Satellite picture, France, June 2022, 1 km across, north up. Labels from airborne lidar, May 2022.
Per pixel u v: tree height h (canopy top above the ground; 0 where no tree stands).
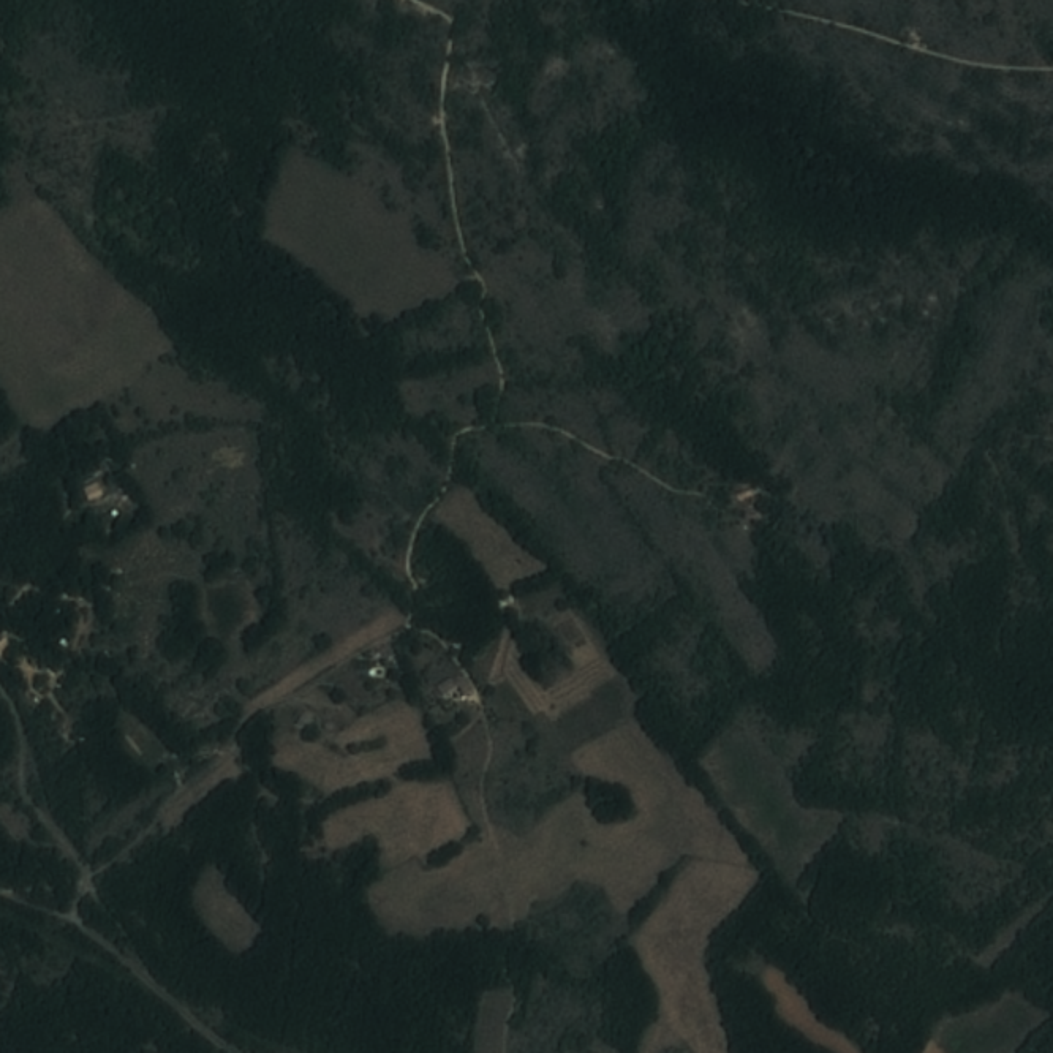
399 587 8
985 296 6
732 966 7
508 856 0
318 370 9
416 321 10
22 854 8
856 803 11
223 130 7
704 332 0
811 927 7
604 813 13
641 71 10
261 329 12
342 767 0
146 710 16
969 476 6
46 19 5
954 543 7
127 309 0
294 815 11
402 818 0
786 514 13
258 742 11
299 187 0
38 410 0
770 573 9
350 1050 9
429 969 6
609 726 0
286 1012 8
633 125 8
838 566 14
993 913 11
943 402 10
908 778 6
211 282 12
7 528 9
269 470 7
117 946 9
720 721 11
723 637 10
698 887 0
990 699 11
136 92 7
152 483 0
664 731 12
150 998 9
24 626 12
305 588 7
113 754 17
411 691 10
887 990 7
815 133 13
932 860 8
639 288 7
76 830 8
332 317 6
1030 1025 0
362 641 0
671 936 0
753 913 8
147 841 7
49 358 0
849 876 14
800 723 9
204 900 0
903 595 9
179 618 12
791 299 7
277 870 8
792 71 7
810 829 0
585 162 7
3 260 0
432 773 12
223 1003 8
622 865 0
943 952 7
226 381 7
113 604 14
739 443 10
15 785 5
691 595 9
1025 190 9
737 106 21
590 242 7
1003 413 6
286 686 0
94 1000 8
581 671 0
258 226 15
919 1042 14
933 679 11
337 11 10
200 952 11
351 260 0
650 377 12
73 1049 9
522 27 8
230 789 16
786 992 0
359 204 0
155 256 13
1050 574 9
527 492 0
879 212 12
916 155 8
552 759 0
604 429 6
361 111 6
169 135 7
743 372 8
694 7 8
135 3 12
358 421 10
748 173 8
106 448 12
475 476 10
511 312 6
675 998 0
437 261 0
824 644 7
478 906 0
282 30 12
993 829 6
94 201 6
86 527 16
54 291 0
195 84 11
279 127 9
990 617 10
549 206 7
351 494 12
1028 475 9
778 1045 17
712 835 0
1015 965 14
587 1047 6
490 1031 0
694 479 8
